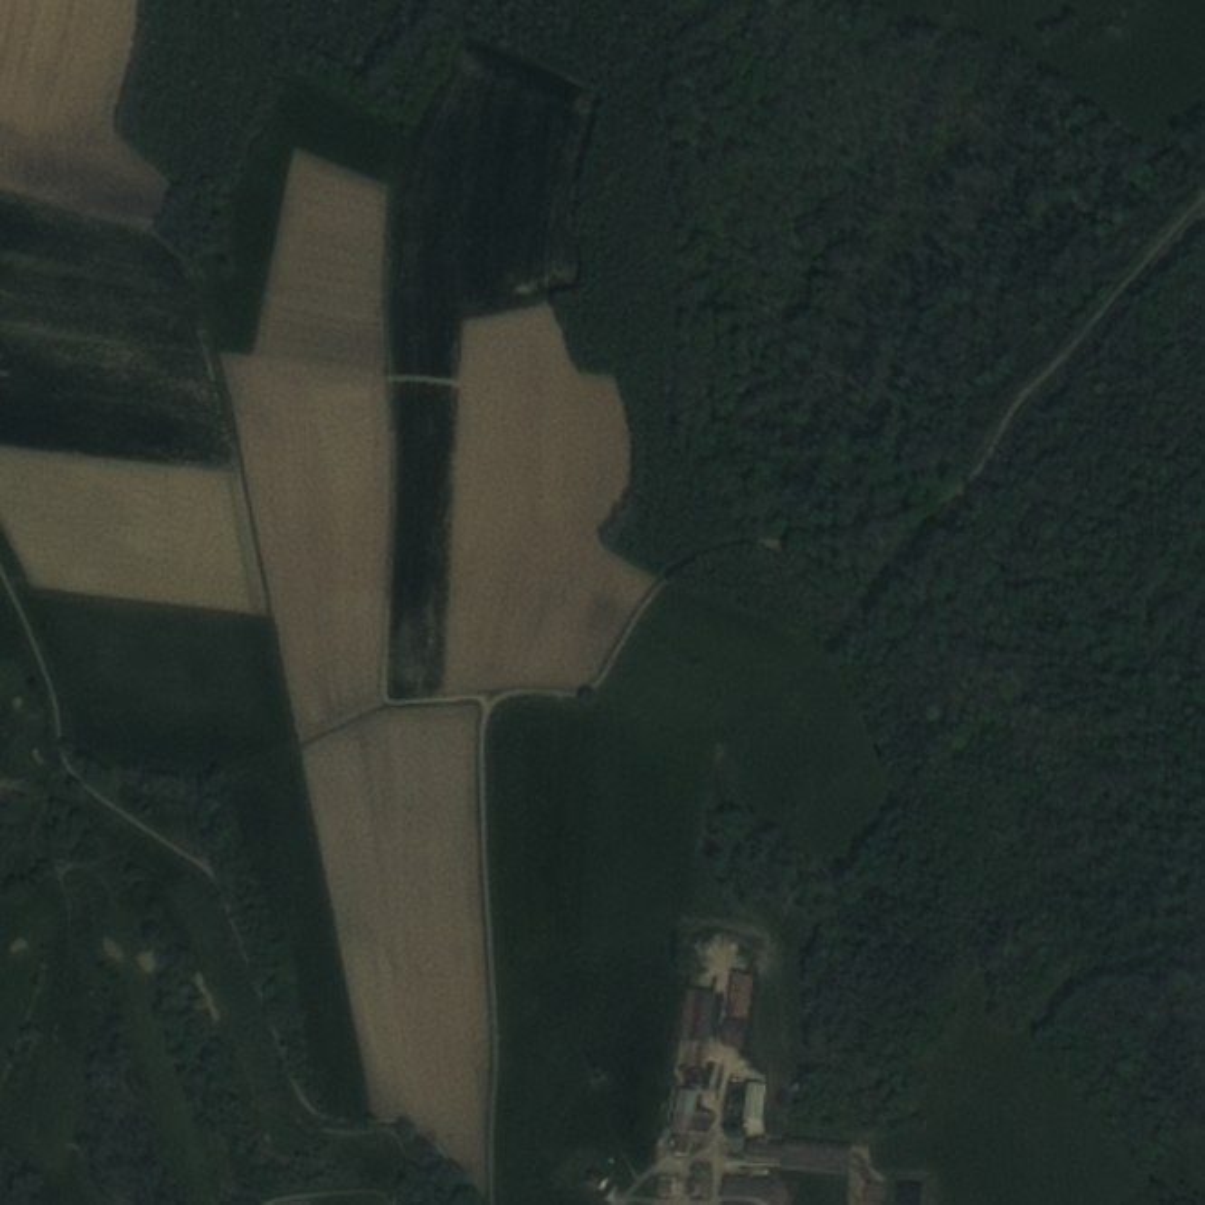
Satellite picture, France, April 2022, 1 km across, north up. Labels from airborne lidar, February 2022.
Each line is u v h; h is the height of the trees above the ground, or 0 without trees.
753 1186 0
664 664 0
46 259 0
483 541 0
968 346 29
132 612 0
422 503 0
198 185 20
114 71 0
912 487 19
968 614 28
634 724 0
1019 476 24
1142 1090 21
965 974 20
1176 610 28
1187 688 12
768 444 28
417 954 0
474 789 0
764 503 26
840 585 24
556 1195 0
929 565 25
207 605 0
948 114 30
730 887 14
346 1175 0
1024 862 12
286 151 0
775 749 0
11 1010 0
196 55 19
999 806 14
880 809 0
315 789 0
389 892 0
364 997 0
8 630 0
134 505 0
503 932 0
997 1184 0
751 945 0
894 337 27
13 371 0
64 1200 0
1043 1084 0
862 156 31
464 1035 0
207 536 0
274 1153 0
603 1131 0
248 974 0
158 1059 0
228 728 0
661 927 0
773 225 28
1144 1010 28
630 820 0
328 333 0
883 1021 20
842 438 28
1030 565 29
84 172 0
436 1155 21
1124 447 21
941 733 18
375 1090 0
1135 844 7
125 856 0
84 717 0
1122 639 28
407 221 0
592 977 0
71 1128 0
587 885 0
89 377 0
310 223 0
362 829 0
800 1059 0
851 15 23
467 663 0
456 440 0
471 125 0
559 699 0
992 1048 0
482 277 0
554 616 0
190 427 0
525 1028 0
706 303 24
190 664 0
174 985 17
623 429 0
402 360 0
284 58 22
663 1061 0
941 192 0
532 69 0
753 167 31
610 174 18
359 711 0
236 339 0
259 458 0
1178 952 17
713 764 0
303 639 0
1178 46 0
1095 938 20
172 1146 0
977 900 17
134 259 0
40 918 0
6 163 0
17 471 0
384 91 30
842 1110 18
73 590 0
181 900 0
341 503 0
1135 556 20
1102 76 0
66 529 0
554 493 0
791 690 0
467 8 23
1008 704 27
